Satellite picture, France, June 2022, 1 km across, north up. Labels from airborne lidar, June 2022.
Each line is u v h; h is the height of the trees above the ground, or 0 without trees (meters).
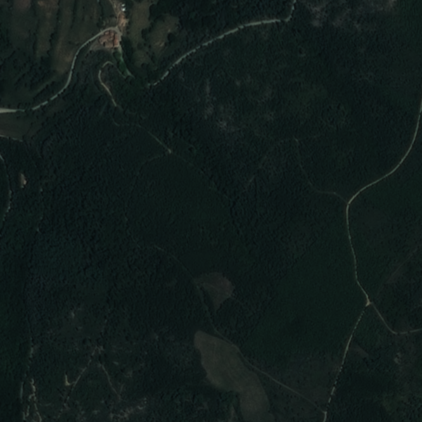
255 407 0
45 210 18
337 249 8
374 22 7
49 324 13
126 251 6
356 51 9
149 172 9
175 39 10
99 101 13
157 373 9
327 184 7
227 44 8
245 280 9
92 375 8
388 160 8
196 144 17
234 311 8
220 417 9
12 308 16
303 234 6
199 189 10
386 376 9
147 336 8
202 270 9
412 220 7
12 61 7
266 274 8
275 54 7
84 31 0
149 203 8
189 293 8
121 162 8
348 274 10
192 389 6
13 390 10
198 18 13
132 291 8
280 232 8
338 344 8
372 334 9
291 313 7
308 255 8
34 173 18
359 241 8
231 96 6
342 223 8
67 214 13
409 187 7
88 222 21
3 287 14
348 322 9
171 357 7
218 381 0
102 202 12
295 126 8
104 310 9
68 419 6
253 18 17
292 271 9
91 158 7
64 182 13
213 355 0
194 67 7
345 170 8
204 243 8
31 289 25
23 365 12
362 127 8
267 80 6
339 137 8
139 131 9
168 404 9
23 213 10
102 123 9
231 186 7
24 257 16
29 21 0
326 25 6
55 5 0
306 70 8
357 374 10
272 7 25
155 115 7
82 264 21
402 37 6
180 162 7
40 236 23
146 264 10
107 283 24
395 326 8
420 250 6
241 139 6
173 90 10
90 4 0
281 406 0
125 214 7
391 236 0
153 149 8
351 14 6
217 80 9
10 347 14
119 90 7
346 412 11
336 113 16
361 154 8
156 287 8
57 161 9
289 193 9
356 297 8
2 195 16
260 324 10
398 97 6
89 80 8
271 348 10
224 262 7
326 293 10
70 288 8
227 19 13
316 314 8
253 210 8
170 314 7
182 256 8
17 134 0
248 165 8
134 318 7
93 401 0
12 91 0
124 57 11
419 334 6
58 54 0
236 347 0
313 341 8
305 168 7
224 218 11
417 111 5
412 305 9
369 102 6
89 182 8
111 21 0
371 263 7
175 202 8
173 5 17
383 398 8
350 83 7
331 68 8
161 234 9
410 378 8
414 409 10
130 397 7
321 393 0
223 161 8
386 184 8
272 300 8
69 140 19
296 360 0
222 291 0
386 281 0
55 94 8
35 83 10
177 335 8
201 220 10
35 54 5
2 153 11
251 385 0
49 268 24
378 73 8
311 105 6
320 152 7
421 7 7
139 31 0
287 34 6
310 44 10
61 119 8
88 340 11
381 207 8
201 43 9
